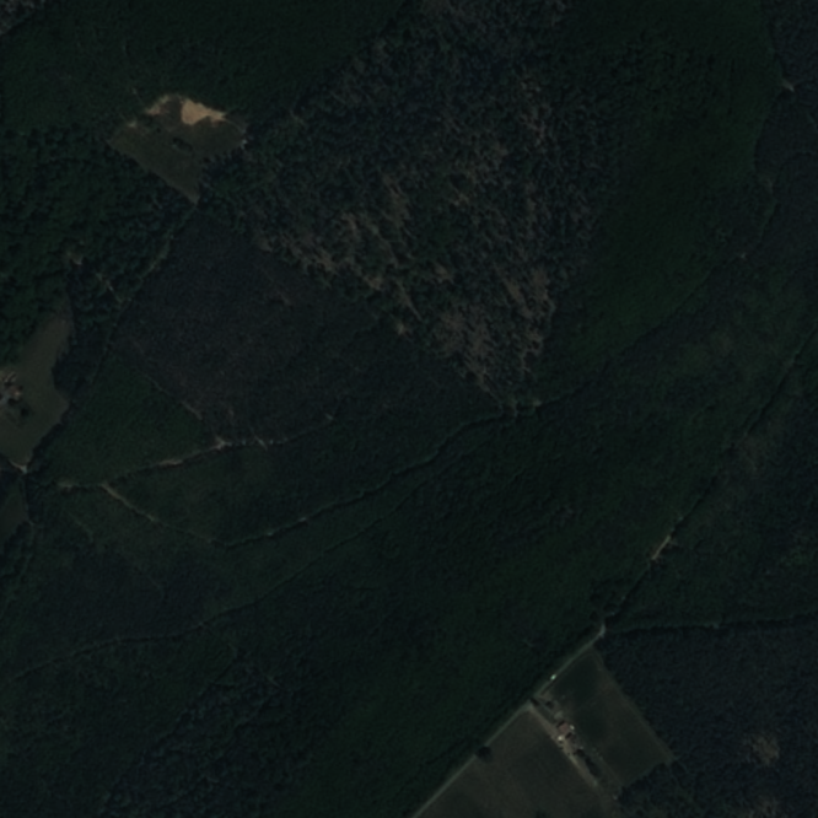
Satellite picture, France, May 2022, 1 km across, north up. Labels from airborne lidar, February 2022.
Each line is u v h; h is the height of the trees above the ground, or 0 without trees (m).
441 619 14
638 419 14
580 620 17
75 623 13
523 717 0
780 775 25
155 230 14
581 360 17
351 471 15
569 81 19
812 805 26
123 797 22
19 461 0
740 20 0
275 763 14
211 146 0
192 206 19
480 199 31
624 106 20
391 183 0
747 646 27
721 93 20
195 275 20
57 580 12
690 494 20
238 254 20
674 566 0
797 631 25
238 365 16
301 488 15
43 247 33
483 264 30
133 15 16
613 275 0
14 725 9
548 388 16
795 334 0
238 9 16
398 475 14
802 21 27
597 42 21
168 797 22
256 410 18
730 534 17
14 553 19
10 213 20
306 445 17
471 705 14
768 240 19
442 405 16
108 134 19
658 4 20
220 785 11
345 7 16
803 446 16
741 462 12
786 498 16
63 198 37
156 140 0
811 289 17
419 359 18
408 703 16
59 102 13
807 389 13
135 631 14
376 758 19
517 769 0
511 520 13
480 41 35
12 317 27
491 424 13
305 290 18
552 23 24
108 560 14
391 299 24
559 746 0
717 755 29
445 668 17
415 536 13
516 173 33
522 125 31
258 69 13
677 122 20
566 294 14
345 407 19
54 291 21
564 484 14
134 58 17
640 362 17
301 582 13
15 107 0
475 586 14
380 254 30
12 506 0
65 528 13
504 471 10
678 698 24
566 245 28
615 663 25
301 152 30
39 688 10
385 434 16
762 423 16
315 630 15
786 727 28
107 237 21
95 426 12
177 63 15
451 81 29
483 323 0
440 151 28
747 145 0
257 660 12
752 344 0
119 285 21
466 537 15
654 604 18
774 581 17
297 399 19
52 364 0
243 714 10
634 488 16
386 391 20
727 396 17
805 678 23
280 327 16
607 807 0
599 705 0
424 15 35
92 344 18
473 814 0
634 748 0
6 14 31
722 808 25
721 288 17
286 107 14
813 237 16
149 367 15
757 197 17
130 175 26
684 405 15
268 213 30
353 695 16
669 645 29
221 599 9
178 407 13
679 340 16
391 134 33
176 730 12
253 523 15
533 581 0
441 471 15
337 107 32
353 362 19
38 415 0
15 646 16
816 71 25
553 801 0
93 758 10
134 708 8
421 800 9
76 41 13
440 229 31
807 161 19
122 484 14
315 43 14
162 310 18
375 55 33
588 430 11
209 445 14
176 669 8
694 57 21
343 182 32
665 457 17
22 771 11
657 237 12
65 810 14
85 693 9
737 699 27
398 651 14
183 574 12
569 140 24
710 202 18
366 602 15
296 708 15
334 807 17
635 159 14
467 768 0
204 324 19
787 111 16
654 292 0
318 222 27
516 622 17
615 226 18
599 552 14
